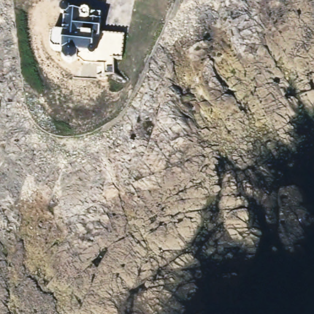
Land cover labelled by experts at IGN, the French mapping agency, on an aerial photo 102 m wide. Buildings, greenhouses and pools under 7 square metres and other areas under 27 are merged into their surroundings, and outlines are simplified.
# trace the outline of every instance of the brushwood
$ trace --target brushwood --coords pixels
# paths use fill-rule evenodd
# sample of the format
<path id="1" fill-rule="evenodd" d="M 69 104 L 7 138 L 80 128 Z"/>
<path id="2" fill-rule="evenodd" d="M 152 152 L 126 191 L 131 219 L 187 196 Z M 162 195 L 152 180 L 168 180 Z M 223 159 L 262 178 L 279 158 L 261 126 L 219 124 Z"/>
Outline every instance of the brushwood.
<path id="1" fill-rule="evenodd" d="M 13 0 L 22 75 L 28 85 L 40 93 L 43 92 L 43 83 L 49 78 L 43 75 L 42 67 L 39 67 L 29 34 L 28 11 L 33 9 L 33 0 Z"/>

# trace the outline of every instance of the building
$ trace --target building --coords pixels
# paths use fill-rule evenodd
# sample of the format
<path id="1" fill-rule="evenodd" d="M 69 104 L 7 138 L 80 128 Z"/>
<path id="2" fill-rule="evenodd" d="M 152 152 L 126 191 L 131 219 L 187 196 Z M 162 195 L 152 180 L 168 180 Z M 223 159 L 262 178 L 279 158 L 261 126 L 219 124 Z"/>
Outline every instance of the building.
<path id="1" fill-rule="evenodd" d="M 103 31 L 101 23 L 91 21 L 90 17 L 101 17 L 101 10 L 90 9 L 87 5 L 67 5 L 64 12 L 60 13 L 61 25 L 54 27 L 48 34 L 52 50 L 63 49 L 65 55 L 78 53 L 87 60 L 107 60 L 109 65 L 105 70 L 108 80 L 113 78 L 119 83 L 125 82 L 123 77 L 114 71 L 114 59 L 121 59 L 123 49 L 124 36 L 120 32 Z"/>

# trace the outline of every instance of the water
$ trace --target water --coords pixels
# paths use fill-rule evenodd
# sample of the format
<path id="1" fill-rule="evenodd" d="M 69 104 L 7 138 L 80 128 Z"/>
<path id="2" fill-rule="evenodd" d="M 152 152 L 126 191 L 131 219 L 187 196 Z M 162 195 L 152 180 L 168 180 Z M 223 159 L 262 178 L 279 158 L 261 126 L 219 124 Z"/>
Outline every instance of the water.
<path id="1" fill-rule="evenodd" d="M 152 282 L 162 280 L 163 288 L 170 293 L 169 298 L 158 302 L 162 307 L 159 314 L 314 314 L 314 107 L 305 107 L 303 101 L 297 103 L 294 115 L 289 119 L 293 129 L 286 132 L 291 137 L 288 144 L 283 144 L 275 137 L 265 141 L 255 137 L 254 141 L 248 141 L 247 144 L 253 146 L 247 150 L 253 162 L 250 166 L 238 168 L 232 159 L 223 156 L 217 158 L 217 185 L 223 186 L 224 174 L 232 174 L 237 196 L 242 200 L 242 205 L 229 207 L 228 212 L 247 211 L 247 227 L 259 229 L 261 232 L 258 243 L 255 243 L 256 250 L 248 251 L 238 243 L 234 247 L 229 245 L 222 251 L 206 254 L 202 247 L 197 247 L 193 255 L 197 260 L 195 264 L 184 266 L 182 269 L 169 269 L 164 264 L 157 270 L 151 270 Z"/>

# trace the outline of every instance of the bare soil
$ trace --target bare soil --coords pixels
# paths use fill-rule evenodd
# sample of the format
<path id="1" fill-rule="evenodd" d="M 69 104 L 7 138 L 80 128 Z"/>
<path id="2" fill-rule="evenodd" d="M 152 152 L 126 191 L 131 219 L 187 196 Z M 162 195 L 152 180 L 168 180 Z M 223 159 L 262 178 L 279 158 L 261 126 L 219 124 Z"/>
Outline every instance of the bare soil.
<path id="1" fill-rule="evenodd" d="M 45 131 L 45 121 L 50 118 L 52 108 L 40 93 L 28 85 L 22 75 L 13 0 L 0 0 L 0 314 L 159 314 L 162 307 L 158 302 L 169 298 L 170 293 L 163 288 L 162 280 L 152 282 L 151 270 L 157 270 L 164 264 L 169 269 L 182 269 L 184 266 L 195 264 L 197 260 L 193 255 L 197 247 L 202 247 L 206 254 L 222 251 L 229 245 L 234 247 L 238 243 L 248 251 L 256 250 L 255 243 L 258 243 L 261 232 L 259 229 L 247 227 L 247 211 L 228 212 L 229 207 L 242 205 L 242 200 L 237 196 L 232 174 L 224 174 L 223 186 L 217 185 L 217 158 L 223 156 L 232 159 L 238 168 L 250 166 L 253 162 L 247 150 L 253 146 L 247 144 L 248 141 L 254 141 L 255 137 L 265 141 L 275 137 L 283 144 L 288 144 L 291 137 L 286 132 L 293 129 L 289 119 L 294 115 L 297 103 L 303 101 L 305 107 L 314 107 L 314 0 L 175 0 L 167 10 L 166 22 L 157 40 L 163 45 L 162 53 L 172 64 L 173 75 L 169 81 L 173 91 L 179 93 L 180 97 L 170 101 L 169 97 L 164 97 L 164 88 L 159 90 L 159 93 L 155 92 L 159 85 L 158 81 L 146 81 L 144 87 L 137 91 L 137 97 L 132 103 L 137 107 L 135 112 L 125 108 L 117 118 L 94 130 L 91 135 L 78 135 L 72 139 L 71 136 Z"/>

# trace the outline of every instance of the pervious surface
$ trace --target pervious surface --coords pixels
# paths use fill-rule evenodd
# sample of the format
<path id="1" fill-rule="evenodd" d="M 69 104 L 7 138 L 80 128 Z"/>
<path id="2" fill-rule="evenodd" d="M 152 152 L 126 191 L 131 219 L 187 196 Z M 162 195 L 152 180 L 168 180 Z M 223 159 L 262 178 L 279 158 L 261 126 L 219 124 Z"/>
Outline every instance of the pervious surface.
<path id="1" fill-rule="evenodd" d="M 64 12 L 67 5 L 87 5 L 90 9 L 101 10 L 101 17 L 90 17 L 91 21 L 101 23 L 103 31 L 120 32 L 125 26 L 130 25 L 132 7 L 136 0 L 33 0 L 33 9 L 28 11 L 29 34 L 39 67 L 42 67 L 43 75 L 49 78 L 58 83 L 63 93 L 74 91 L 72 98 L 83 105 L 88 103 L 88 98 L 97 98 L 104 91 L 107 93 L 105 99 L 108 101 L 118 101 L 121 96 L 128 96 L 125 108 L 135 112 L 137 107 L 132 103 L 137 97 L 137 91 L 144 87 L 146 81 L 158 81 L 159 85 L 155 92 L 159 93 L 159 90 L 164 88 L 164 97 L 169 97 L 170 101 L 180 97 L 179 93 L 173 91 L 169 81 L 173 75 L 172 64 L 162 53 L 163 45 L 157 40 L 151 54 L 145 58 L 144 71 L 141 72 L 136 86 L 128 86 L 114 92 L 110 91 L 108 80 L 105 70 L 109 65 L 107 60 L 87 60 L 78 53 L 65 55 L 63 49 L 52 50 L 48 34 L 54 27 L 61 25 L 60 13 Z"/>

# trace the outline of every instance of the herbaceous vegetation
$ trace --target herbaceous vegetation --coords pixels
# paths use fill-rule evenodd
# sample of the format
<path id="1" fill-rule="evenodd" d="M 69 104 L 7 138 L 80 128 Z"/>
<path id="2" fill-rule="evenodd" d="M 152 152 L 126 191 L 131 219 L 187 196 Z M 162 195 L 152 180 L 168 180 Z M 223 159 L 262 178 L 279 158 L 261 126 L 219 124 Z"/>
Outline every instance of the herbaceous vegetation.
<path id="1" fill-rule="evenodd" d="M 119 83 L 113 78 L 108 80 L 110 91 L 114 92 L 128 86 L 136 86 L 141 72 L 144 71 L 145 58 L 151 54 L 157 40 L 166 22 L 167 10 L 175 0 L 136 0 L 132 7 L 130 25 L 125 26 L 120 32 L 124 36 L 123 49 L 121 59 L 114 59 L 114 71 L 123 77 L 125 82 Z"/>
<path id="2" fill-rule="evenodd" d="M 118 101 L 108 101 L 105 99 L 107 93 L 104 91 L 97 98 L 88 98 L 88 103 L 83 105 L 72 98 L 74 91 L 63 93 L 58 83 L 49 78 L 43 83 L 43 92 L 40 93 L 52 108 L 50 118 L 45 121 L 45 131 L 71 136 L 72 139 L 78 135 L 91 135 L 94 130 L 117 118 L 125 108 L 128 96 L 121 96 Z"/>

